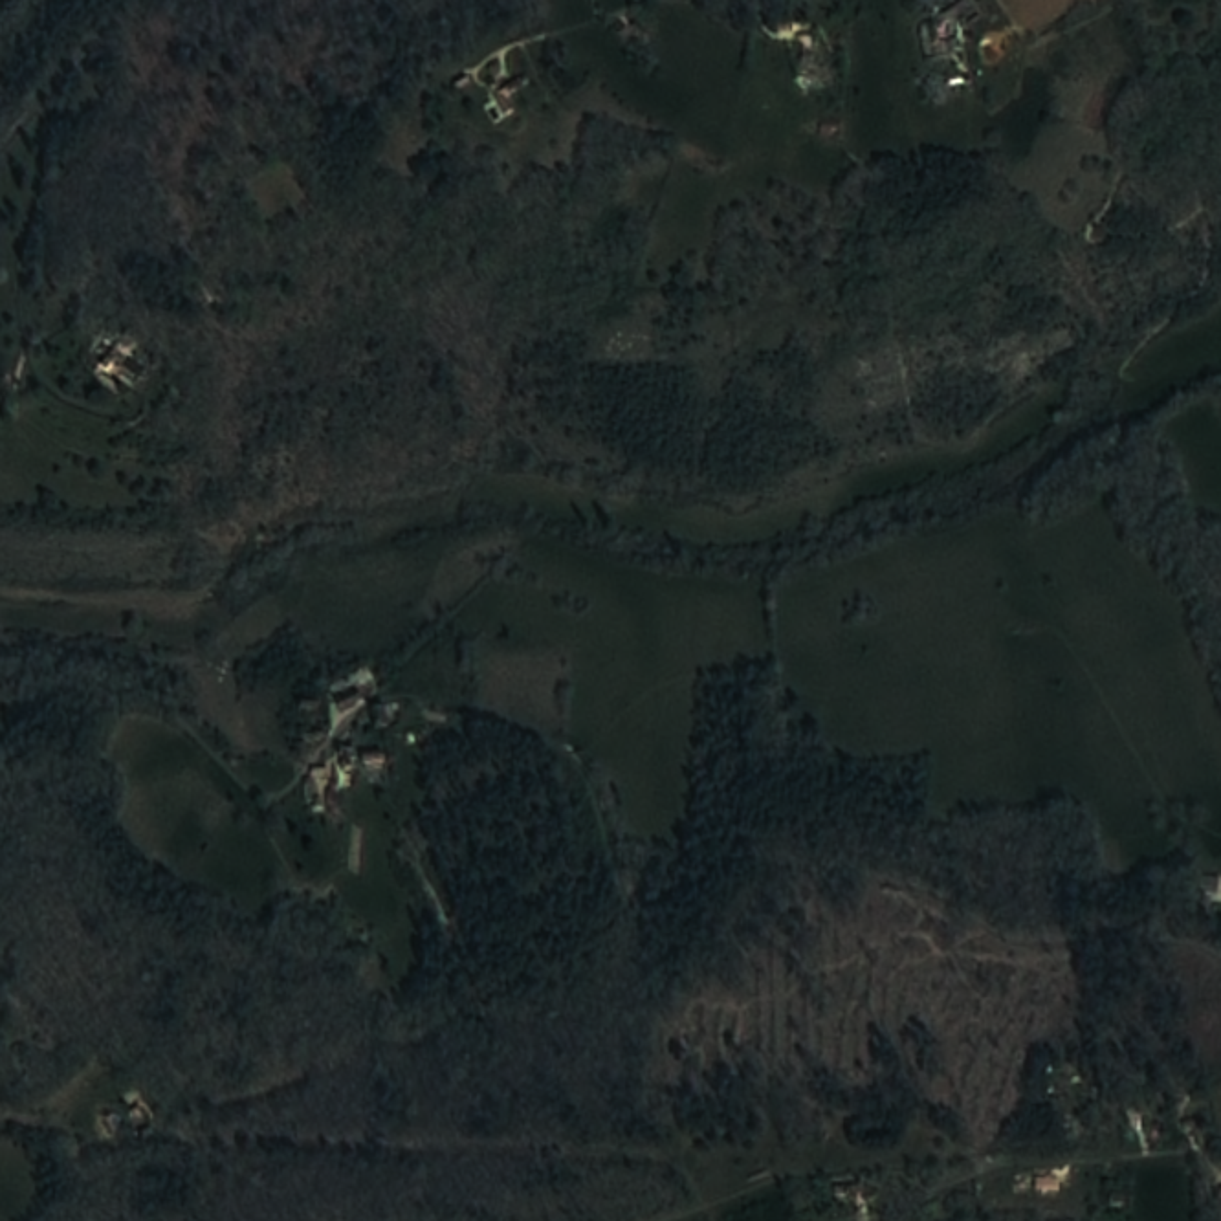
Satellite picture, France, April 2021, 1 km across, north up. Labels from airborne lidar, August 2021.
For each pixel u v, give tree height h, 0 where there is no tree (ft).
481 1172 66
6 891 71
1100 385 61
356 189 70
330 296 37
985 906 48
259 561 31
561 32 0
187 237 56
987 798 0
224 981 49
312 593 0
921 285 61
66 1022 65
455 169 61
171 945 47
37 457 0
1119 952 86
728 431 25
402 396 36
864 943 0
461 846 58
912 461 0
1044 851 63
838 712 0
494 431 24
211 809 0
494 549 0
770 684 37
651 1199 30
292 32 35
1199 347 0
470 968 62
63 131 61
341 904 21
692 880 67
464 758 61
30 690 83
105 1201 73
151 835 0
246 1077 63
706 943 62
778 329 0
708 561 20
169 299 58
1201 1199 35
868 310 56
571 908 53
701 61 0
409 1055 52
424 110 27
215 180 70
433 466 41
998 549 0
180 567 41
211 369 39
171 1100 61
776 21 67
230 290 54
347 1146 0
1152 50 60
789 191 45
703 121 0
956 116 0
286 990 78
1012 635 0
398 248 54
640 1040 52
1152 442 82
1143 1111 57
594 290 67
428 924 23
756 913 46
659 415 39
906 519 23
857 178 56
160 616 0
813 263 57
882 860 44
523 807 56
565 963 66
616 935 69
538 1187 56
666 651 0
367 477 38
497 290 62
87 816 80
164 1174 50
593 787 55
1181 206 67
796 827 72
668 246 0
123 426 52
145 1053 59
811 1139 47
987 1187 0
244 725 0
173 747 0
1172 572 75
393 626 0
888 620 0
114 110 43
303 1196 0
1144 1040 42
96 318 64
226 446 45
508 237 73
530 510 40
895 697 0
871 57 0
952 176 72
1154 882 64
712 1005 0
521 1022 54
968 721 0
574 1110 65
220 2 37
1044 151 0
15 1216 0
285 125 63
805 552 36
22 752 42
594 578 0
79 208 49
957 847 54
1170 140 77
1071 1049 38
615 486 47
